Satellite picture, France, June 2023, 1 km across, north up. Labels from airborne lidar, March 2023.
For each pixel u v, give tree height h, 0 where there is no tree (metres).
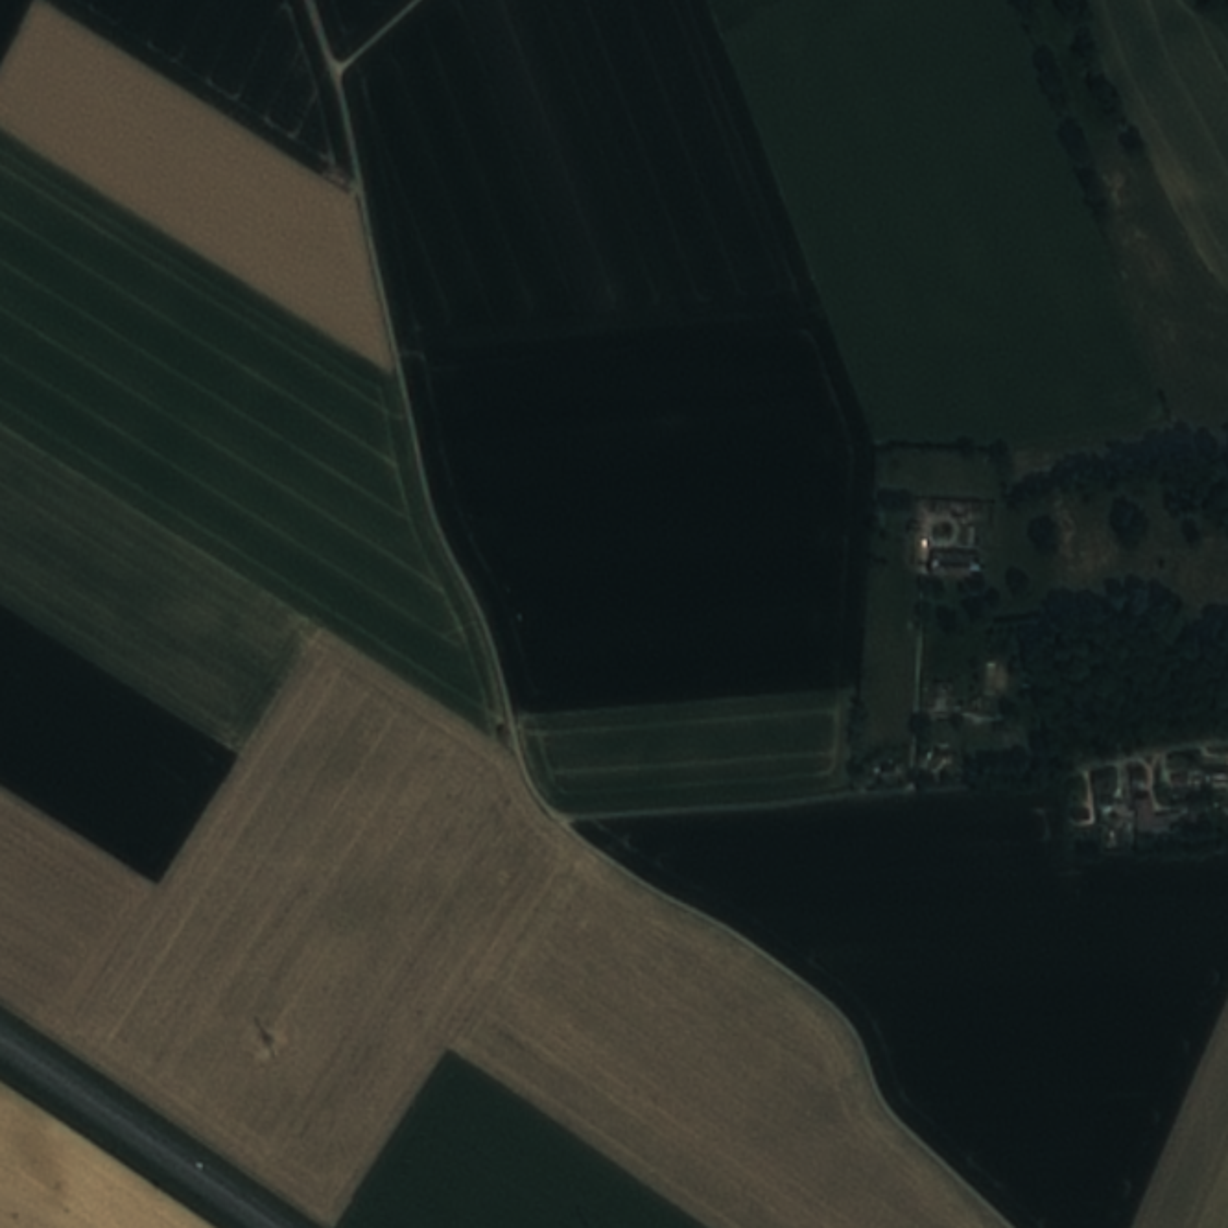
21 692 0
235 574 0
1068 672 23
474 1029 0
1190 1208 0
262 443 0
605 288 0
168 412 0
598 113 0
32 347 0
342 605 0
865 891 0
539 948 0
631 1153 0
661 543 0
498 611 0
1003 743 0
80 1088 0
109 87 0
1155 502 0
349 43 0
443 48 0
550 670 0
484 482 0
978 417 0
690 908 0
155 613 0
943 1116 0
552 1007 0
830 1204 0
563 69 0
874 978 0
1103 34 0
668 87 0
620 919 0
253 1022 0
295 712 0
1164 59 0
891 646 0
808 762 0
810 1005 0
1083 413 0
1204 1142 0
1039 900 0
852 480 0
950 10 0
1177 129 0
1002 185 0
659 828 0
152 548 0
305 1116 0
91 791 0
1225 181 0
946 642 0
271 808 0
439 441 0
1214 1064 0
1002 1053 0
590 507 0
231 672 0
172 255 0
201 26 0
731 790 0
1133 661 28
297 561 0
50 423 0
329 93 0
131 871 0
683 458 0
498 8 0
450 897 0
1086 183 26
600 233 0
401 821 0
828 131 0
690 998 0
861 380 0
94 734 0
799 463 0
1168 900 0
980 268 0
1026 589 16
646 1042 0
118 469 0
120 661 0
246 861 0
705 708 0
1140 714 27
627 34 0
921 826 0
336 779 0
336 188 0
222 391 0
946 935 0
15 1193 0
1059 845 0
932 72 0
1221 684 28
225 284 0
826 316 0
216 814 0
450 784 0
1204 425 0
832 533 0
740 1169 0
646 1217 0
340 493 0
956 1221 0
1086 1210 0
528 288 0
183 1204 0
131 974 0
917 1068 0
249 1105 0
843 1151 0
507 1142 0
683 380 0
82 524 0
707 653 0
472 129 0
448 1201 0
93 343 0
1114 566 0
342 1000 0
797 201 0
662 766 0
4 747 0
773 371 0
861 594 0
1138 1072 0
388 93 0
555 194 0
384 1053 0
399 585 0
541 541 0
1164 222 0
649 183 0
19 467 0
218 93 0
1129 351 0
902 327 0
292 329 0
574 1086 0
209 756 0
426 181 0
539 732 0
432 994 0
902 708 0
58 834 0
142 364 0
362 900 0
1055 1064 0
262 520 0
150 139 0
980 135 0
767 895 0
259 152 0
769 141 0
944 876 0
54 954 0
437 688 0
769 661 0
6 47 0
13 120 0
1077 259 0
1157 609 28
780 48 0
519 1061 0
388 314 0
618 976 0
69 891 0
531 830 0
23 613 0
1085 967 0
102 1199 0
